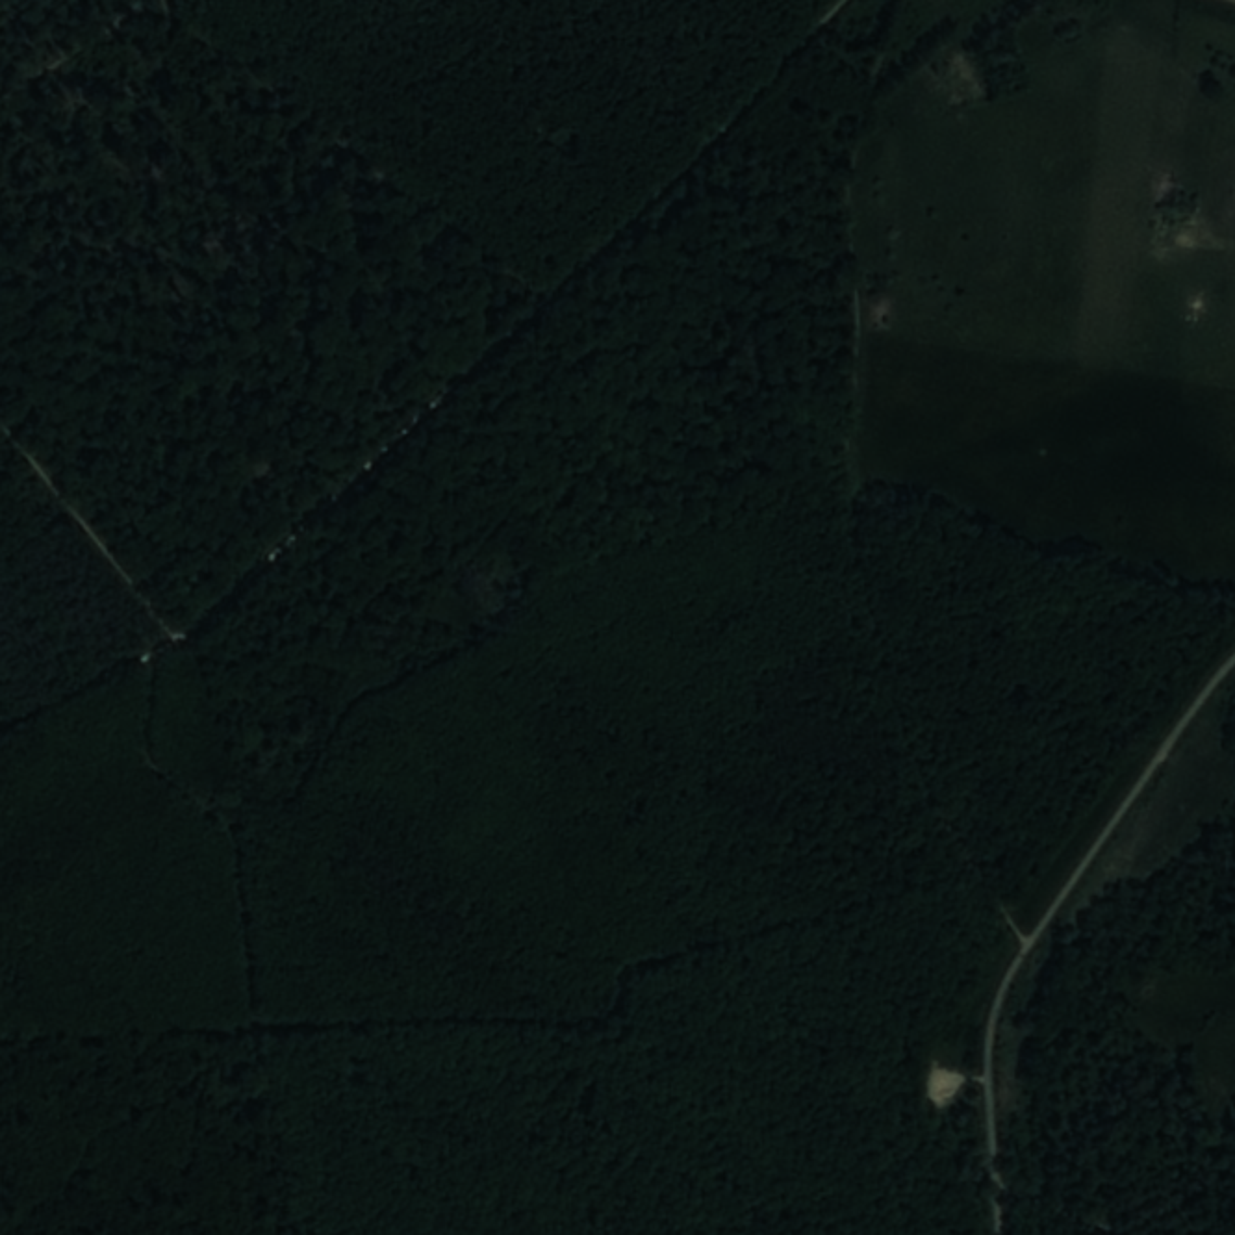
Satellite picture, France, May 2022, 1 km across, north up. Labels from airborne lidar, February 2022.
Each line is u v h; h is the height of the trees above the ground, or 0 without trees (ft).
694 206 106
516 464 76
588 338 73
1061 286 0
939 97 0
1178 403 0
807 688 71
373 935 53
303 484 69
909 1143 75
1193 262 0
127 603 61
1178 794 0
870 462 0
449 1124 87
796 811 76
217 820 45
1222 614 66
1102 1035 92
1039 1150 36
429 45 60
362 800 45
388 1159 81
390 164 63
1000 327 0
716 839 69
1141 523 0
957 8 0
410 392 68
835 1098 86
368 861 76
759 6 63
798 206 82
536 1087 74
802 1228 83
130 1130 38
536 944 45
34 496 0
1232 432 0
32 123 94
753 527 53
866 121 62
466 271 82
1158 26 0
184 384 80
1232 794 0
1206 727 0
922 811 72
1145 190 0
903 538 73
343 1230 73
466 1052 77
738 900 67
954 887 85
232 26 61
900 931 82
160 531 68
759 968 80
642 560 49
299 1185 65
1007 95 41
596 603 52
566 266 45
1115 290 0
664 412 80
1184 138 0
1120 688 81
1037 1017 58
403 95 66
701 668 56
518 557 55
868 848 82
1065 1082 82
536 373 78
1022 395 0
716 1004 85
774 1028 90
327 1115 71
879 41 50
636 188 65
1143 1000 0
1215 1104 0
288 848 53
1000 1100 0
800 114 94
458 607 0
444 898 65
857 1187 80
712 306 72
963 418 0
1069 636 82
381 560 81
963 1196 70
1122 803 0
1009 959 0
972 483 0
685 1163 79
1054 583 79
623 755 50
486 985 48
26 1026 43
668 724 50
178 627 53
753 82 54
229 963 53
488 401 82
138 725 45
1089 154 0
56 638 62
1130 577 76
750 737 63
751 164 83
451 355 76
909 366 0
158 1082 45
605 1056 81
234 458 73
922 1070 60
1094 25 0
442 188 62
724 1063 82
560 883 45
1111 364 0
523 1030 66
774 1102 87
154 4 89
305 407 52
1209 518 0
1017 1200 65
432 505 79
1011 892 73
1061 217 0
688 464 92
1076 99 0
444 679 52
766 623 57
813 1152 85
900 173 0
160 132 107
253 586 62
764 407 89
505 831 46
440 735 51
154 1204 97
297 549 79
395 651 73
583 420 80
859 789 77
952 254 0
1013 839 80
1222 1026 0
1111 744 64
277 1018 43
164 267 104
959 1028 19
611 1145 78
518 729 45
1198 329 0
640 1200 73
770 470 86
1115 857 0
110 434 76
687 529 66
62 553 64
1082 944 44
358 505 81
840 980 81
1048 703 76
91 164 110
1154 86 0
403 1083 77
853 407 64
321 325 89
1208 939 75
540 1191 81
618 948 42
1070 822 62
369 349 81
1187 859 86
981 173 0
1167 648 81
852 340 76
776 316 95
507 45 60
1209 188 0
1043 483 0
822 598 68
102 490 65
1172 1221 94
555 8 61
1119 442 0
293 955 49
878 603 73
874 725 67
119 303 33
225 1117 33
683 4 66
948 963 76
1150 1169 83
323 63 67
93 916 57
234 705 72
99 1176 41
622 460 77
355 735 43
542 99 68
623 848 47
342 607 82
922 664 77
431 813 42
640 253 97
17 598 53
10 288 95
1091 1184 82
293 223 93
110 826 60
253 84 32
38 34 104
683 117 63
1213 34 0
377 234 72
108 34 0
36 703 52
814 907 73
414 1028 57
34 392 75
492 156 71
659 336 85
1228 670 0
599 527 78
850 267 91
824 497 60
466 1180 82
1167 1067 25
